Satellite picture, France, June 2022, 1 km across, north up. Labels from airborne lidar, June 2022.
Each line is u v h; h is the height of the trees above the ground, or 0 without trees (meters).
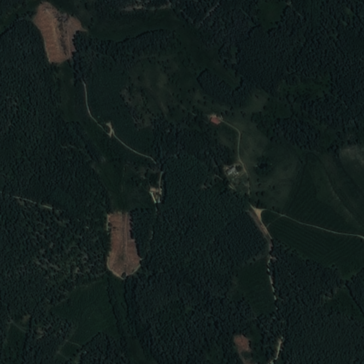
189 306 27
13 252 12
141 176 0
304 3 16
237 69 20
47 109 24
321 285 27
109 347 24
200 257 12
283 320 23
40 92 22
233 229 29
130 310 20
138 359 0
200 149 29
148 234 20
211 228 28
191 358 19
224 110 0
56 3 0
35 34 24
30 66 20
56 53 0
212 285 29
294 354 24
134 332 17
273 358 24
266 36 31
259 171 9
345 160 0
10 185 19
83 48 17
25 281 14
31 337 24
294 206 0
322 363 26
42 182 20
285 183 0
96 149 26
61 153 13
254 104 0
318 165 0
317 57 27
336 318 29
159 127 21
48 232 25
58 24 0
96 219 9
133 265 0
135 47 27
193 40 0
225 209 25
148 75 0
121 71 6
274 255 26
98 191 14
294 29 19
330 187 0
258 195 12
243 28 22
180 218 17
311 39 16
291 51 30
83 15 0
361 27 30
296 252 15
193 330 25
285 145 0
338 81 26
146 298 27
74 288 18
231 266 15
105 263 14
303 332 23
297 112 13
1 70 22
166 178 25
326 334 24
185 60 6
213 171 17
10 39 22
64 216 22
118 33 0
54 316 22
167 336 14
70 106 0
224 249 27
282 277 27
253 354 15
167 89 0
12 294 19
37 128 14
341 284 22
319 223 0
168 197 21
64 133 17
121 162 14
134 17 11
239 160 0
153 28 0
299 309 27
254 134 0
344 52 24
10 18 0
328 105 27
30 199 14
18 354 10
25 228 19
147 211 13
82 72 15
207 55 0
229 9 22
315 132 27
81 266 9
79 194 15
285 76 29
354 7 27
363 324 26
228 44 20
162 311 11
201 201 24
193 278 24
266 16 0
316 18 20
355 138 7
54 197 25
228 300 15
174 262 16
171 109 10
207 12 24
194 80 0
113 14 9
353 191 0
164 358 24
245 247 28
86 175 14
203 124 13
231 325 29
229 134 0
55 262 26
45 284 19
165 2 23
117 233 0
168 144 16
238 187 0
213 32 13
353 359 27
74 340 5
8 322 23
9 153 15
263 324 24
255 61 22
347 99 22
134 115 11
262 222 0
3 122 20
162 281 28
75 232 23
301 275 25
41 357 27
